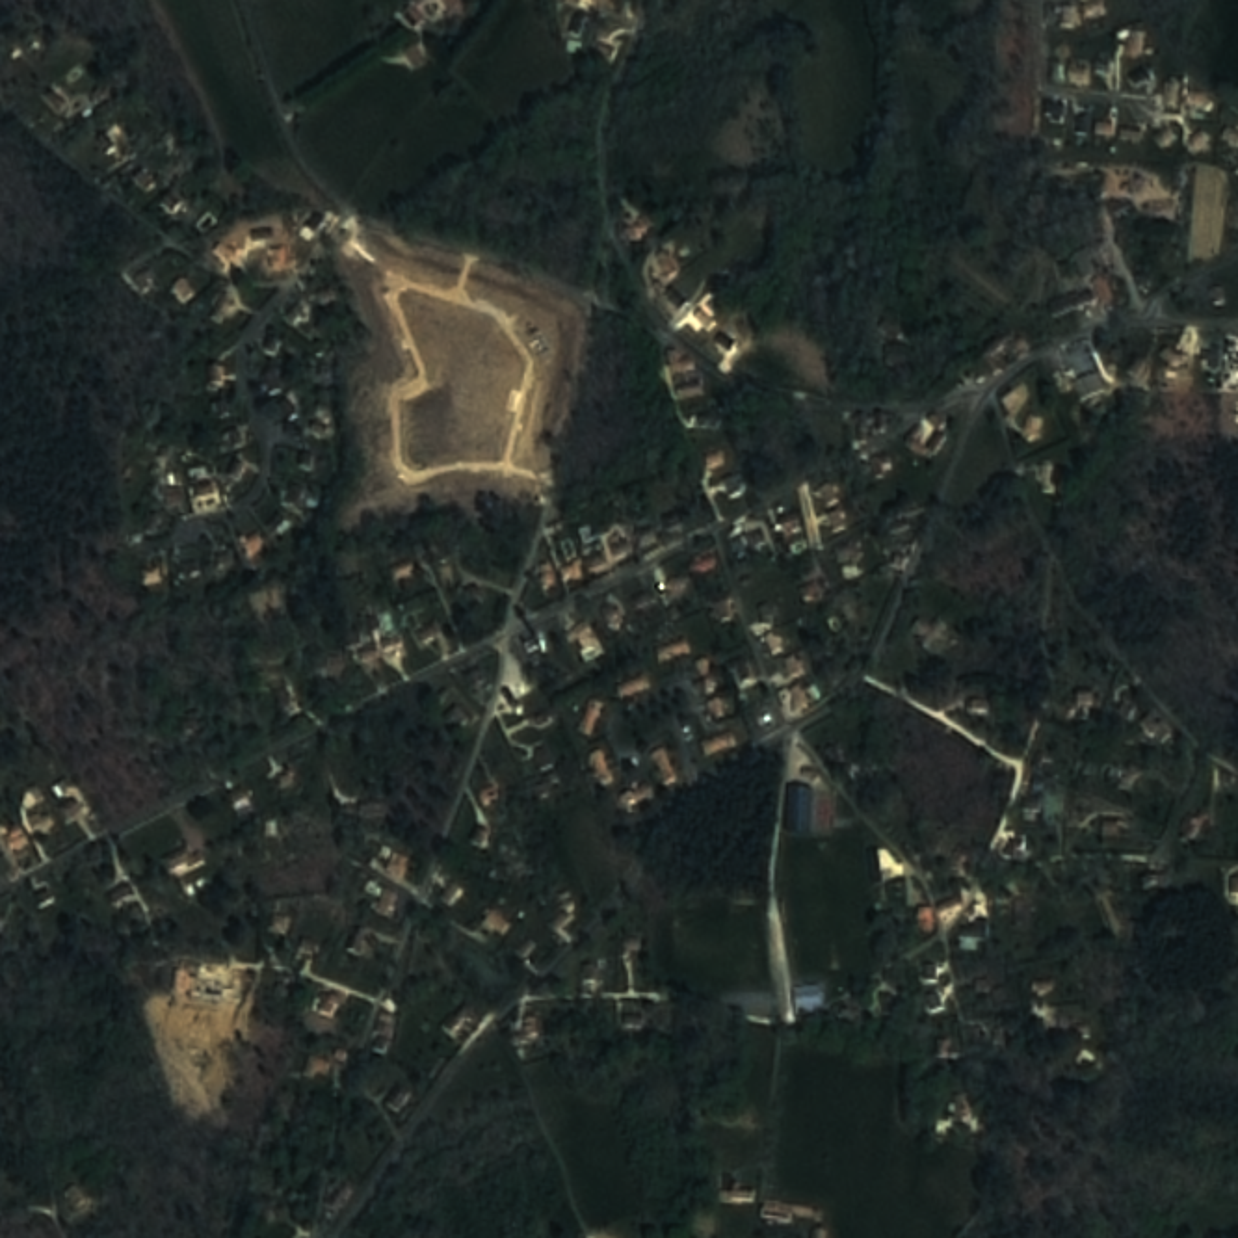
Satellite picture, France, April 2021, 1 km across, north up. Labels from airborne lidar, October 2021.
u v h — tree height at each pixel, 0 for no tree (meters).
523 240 20
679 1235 16
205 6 0
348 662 7
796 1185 0
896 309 21
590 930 0
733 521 0
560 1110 0
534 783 7
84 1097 14
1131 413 17
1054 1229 20
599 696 13
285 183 0
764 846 21
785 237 23
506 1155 11
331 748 19
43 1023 16
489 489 0
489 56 0
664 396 13
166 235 13
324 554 25
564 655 17
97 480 19
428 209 20
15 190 15
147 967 12
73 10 12
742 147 0
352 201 0
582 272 18
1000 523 22
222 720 12
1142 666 12
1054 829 7
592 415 14
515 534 18
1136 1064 21
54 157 13
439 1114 0
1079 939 14
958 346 9
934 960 0
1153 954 0
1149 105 0
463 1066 0
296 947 7
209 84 0
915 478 0
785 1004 0
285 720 11
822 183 20
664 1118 12
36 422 17
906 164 15
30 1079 15
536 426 0
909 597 10
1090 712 0
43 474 14
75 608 8
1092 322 0
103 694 14
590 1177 0
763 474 25
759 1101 0
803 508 0
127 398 8
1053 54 0
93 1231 11
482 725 0
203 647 12
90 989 26
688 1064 24
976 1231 10
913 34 19
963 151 23
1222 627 10
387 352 0
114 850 11
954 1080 12
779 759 9
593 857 0
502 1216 11
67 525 15
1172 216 0
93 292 7
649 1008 13
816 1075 0
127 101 13
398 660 0
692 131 22
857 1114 0
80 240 15
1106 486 14
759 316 24
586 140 15
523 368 0
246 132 0
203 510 0
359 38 0
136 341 10
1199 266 8
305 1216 16
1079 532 11
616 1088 12
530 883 7
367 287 0
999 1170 17
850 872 0
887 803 18
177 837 0
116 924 10
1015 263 20
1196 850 15
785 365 0
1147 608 26
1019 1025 15
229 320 0
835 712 11
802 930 0
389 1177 8
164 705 11
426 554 9
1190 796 9
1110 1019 6
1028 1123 9
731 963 0
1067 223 17
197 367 11
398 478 0
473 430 0
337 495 10
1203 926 0
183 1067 0
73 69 0
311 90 10
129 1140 16
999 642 6
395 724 13
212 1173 14
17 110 9
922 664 0
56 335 20
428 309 0
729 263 0
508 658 0
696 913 0
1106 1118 21
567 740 6
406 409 0
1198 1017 22
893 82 11
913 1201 0
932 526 18
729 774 12
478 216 15
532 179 18
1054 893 14
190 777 15
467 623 18
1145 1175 21
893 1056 18
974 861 17
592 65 19
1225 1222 0
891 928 11
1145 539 6
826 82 0
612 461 15
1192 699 10
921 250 16
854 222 19
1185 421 0
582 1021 10
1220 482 9
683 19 14
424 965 7
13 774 18
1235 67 0
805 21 0
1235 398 0
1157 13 13
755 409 22
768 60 18
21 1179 9
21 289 16
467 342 0
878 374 16
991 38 17
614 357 10
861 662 9
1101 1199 16
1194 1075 25
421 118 0
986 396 0
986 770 19
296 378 7
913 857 16
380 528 20
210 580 13
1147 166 0
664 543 6
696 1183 11
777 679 0
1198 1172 23
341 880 9
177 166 6
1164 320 0
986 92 15
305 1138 16
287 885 0
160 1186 11
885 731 12
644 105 20
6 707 14
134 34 17
